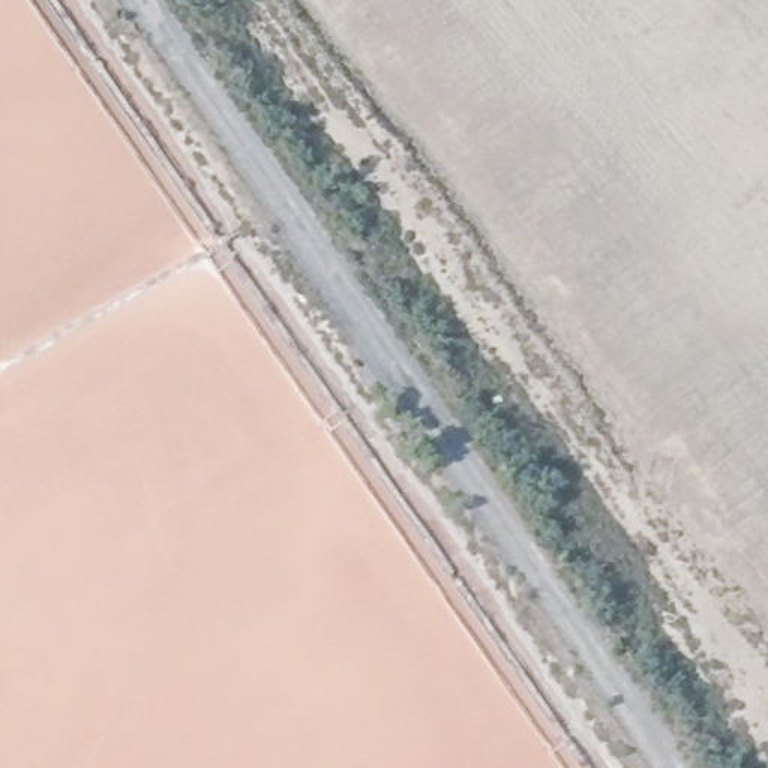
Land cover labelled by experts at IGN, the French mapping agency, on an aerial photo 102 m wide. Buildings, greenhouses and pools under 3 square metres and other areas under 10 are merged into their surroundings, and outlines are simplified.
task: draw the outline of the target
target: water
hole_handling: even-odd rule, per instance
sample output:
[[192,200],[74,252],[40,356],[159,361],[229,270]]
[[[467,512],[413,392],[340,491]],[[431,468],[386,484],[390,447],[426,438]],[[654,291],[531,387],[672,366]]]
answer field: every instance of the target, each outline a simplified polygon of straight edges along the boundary
[[423,573],[399,531],[393,528],[393,522],[378,507],[378,501],[369,495],[345,453],[339,450],[339,444],[333,441],[330,426],[315,411],[306,414],[297,408],[297,402],[291,402],[282,378],[267,363],[267,357],[273,354],[270,345],[258,336],[252,321],[237,306],[237,300],[189,300],[162,309],[132,306],[132,312],[117,315],[117,321],[96,339],[87,339],[84,345],[66,354],[57,354],[51,348],[39,369],[18,375],[15,369],[9,369],[6,375],[0,375],[0,768],[552,768],[552,747],[534,744],[534,726],[513,702],[489,660],[480,654],[468,630],[459,624],[453,609],[444,603],[435,582]]
[[183,249],[198,243],[177,219],[165,195],[156,189],[150,174],[141,168],[132,147],[117,132],[111,117],[102,111],[99,99],[90,93],[90,87],[66,57],[66,51],[57,45],[57,39],[51,36],[51,30],[45,27],[30,0],[0,0],[0,360],[12,354],[24,339],[39,339],[48,327],[63,324],[75,312],[129,291],[147,273],[174,264]]
[[90,0],[72,0],[114,63],[123,60],[123,48],[108,36],[105,21],[93,12]]
[[570,720],[573,732],[603,762],[603,768],[621,768],[621,759],[609,753],[609,747],[597,738],[594,726],[585,720],[585,699],[570,699],[564,693],[552,669],[543,663],[537,642],[522,630],[516,612],[504,600],[504,591],[495,588],[486,561],[468,552],[465,531],[447,516],[441,501],[426,489],[414,468],[399,459],[396,447],[387,441],[375,417],[378,405],[366,402],[354,390],[345,369],[333,360],[333,354],[327,354],[312,321],[303,315],[306,294],[297,294],[276,273],[273,261],[252,246],[249,237],[243,237],[237,246],[243,258],[270,285],[282,309],[297,324],[300,336],[315,351],[315,357],[336,378],[348,402],[363,414],[372,444],[384,453],[390,468],[408,483],[408,489],[429,507],[435,522],[453,540],[459,561],[474,570],[477,582],[489,591],[507,633],[519,642],[543,687],[552,693],[564,717]]

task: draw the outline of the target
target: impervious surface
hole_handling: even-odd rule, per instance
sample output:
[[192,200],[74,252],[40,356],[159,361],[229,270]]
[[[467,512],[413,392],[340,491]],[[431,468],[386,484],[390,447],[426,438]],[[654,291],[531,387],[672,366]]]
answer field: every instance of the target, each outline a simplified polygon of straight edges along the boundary
[[423,423],[423,438],[432,444],[438,468],[447,468],[462,486],[462,492],[486,495],[486,504],[480,507],[483,522],[489,522],[492,534],[501,540],[510,561],[519,570],[525,570],[531,585],[540,591],[546,612],[579,648],[582,663],[591,669],[600,690],[606,696],[624,696],[624,705],[618,705],[621,720],[627,723],[633,744],[648,756],[651,768],[690,768],[690,765],[681,759],[669,726],[663,723],[660,711],[651,708],[651,690],[633,684],[624,666],[615,660],[612,630],[591,621],[576,606],[567,585],[558,579],[552,567],[549,552],[525,528],[510,495],[495,486],[483,456],[465,453],[468,432],[456,426],[447,426],[450,411],[441,405],[432,381],[423,375],[417,360],[408,357],[405,345],[384,321],[384,312],[375,306],[375,300],[357,282],[354,264],[333,249],[324,222],[288,180],[273,150],[234,108],[225,87],[213,75],[213,66],[201,60],[189,33],[165,9],[162,0],[126,0],[126,9],[138,12],[141,24],[168,54],[183,84],[192,90],[204,114],[222,132],[240,168],[249,174],[255,189],[264,195],[264,201],[282,222],[282,234],[273,237],[279,249],[294,249],[297,264],[309,273],[321,294],[348,315],[354,336],[348,336],[345,345],[351,348],[351,357],[363,357],[366,366],[360,369],[369,372],[375,384],[384,384],[384,393],[396,396],[396,417],[411,414]]

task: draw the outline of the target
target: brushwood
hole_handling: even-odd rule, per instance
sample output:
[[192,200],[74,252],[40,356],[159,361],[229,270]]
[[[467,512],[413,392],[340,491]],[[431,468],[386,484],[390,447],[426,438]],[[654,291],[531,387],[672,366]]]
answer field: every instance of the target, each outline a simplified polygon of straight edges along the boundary
[[690,765],[690,768],[768,768],[768,744],[756,744],[750,738],[744,720],[729,726],[729,711],[744,708],[744,702],[726,699],[717,684],[702,684],[696,678],[693,663],[678,654],[675,642],[663,633],[660,615],[672,609],[672,600],[654,582],[648,564],[663,543],[669,543],[675,558],[687,564],[699,585],[720,600],[723,618],[738,627],[738,633],[756,648],[756,654],[768,660],[768,636],[765,618],[753,612],[750,594],[741,585],[729,585],[726,573],[714,564],[714,555],[702,549],[687,552],[681,546],[684,528],[672,528],[669,519],[648,519],[654,537],[633,540],[627,528],[615,522],[615,516],[606,510],[603,498],[618,486],[627,486],[630,498],[639,495],[639,477],[636,462],[627,459],[624,447],[615,441],[606,411],[591,393],[585,372],[537,318],[531,300],[504,270],[498,252],[489,246],[489,237],[477,225],[477,219],[462,207],[450,183],[426,159],[426,150],[414,141],[414,135],[405,126],[399,126],[384,111],[363,72],[351,66],[351,60],[330,39],[330,33],[321,27],[321,21],[309,12],[303,0],[288,0],[291,12],[309,27],[321,51],[363,96],[378,126],[405,147],[408,168],[420,171],[429,186],[435,186],[447,210],[462,225],[459,231],[447,234],[447,243],[462,261],[465,288],[492,303],[498,315],[507,321],[510,336],[525,360],[522,372],[513,372],[504,360],[486,360],[480,354],[480,342],[456,315],[453,300],[438,291],[432,276],[420,273],[417,258],[423,255],[423,243],[414,231],[405,231],[399,225],[396,213],[381,207],[381,186],[372,180],[375,159],[366,156],[351,165],[345,150],[327,135],[324,123],[318,120],[315,105],[297,102],[294,93],[285,87],[282,63],[273,54],[264,54],[249,33],[249,0],[162,0],[165,9],[189,33],[201,60],[213,66],[213,75],[225,87],[234,108],[273,150],[288,180],[324,222],[333,249],[354,264],[357,282],[375,300],[375,306],[384,312],[384,321],[405,345],[408,339],[426,333],[429,345],[447,354],[447,363],[459,378],[459,396],[465,402],[462,414],[456,417],[456,426],[468,432],[465,453],[483,456],[495,486],[510,495],[525,528],[549,552],[552,567],[558,579],[567,585],[576,606],[591,621],[612,630],[615,660],[624,666],[633,684],[651,690],[651,708],[660,711],[663,723],[669,726],[687,723],[693,729],[696,753],[702,759]]

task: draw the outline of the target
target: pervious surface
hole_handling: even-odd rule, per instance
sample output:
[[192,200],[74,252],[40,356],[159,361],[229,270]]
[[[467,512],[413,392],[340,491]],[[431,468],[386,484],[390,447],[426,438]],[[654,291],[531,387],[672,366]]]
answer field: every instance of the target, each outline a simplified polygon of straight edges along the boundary
[[423,375],[432,381],[441,405],[450,411],[447,426],[456,426],[456,417],[462,414],[465,402],[459,396],[459,378],[447,363],[447,354],[429,345],[426,333],[408,339],[405,345],[408,357],[417,360]]
[[678,654],[693,663],[696,678],[702,684],[717,684],[726,699],[744,702],[744,708],[729,711],[729,726],[744,720],[750,738],[756,744],[768,744],[768,660],[756,654],[756,648],[738,633],[738,627],[723,618],[720,600],[699,585],[687,564],[675,558],[669,543],[663,543],[648,564],[654,582],[672,600],[672,609],[660,615],[663,633],[675,642]]
[[693,729],[687,723],[669,726],[681,759],[690,765],[702,759],[696,753]]
[[627,486],[618,486],[603,498],[606,510],[615,516],[615,522],[627,528],[633,540],[654,537],[648,519],[669,519],[672,528],[684,528],[681,546],[687,552],[702,549],[714,555],[714,564],[726,573],[729,585],[741,585],[750,594],[753,612],[765,618],[768,636],[768,0],[303,0],[309,12],[321,21],[321,27],[330,33],[330,39],[351,60],[351,66],[363,72],[384,111],[399,126],[405,126],[414,135],[414,141],[426,150],[426,159],[450,183],[462,207],[477,219],[477,225],[489,237],[489,246],[498,252],[504,270],[531,300],[537,318],[585,372],[591,393],[606,411],[615,441],[624,447],[627,459],[636,462],[639,477],[639,495],[630,498]]
[[534,744],[552,747],[552,768],[603,768],[603,762],[573,732],[570,720],[564,717],[552,693],[543,687],[519,642],[507,633],[489,591],[477,582],[474,570],[459,561],[453,540],[435,522],[429,507],[408,489],[408,483],[390,468],[384,453],[372,444],[363,414],[348,402],[336,378],[315,357],[315,351],[300,336],[297,324],[282,309],[270,285],[243,258],[237,246],[243,237],[249,237],[252,246],[273,261],[276,273],[297,294],[306,294],[303,315],[312,321],[327,354],[333,354],[333,360],[345,369],[354,390],[366,402],[378,405],[375,417],[387,441],[396,447],[399,459],[414,468],[426,489],[441,501],[447,516],[465,531],[468,552],[486,561],[495,588],[504,591],[504,600],[516,612],[522,630],[537,642],[543,663],[552,669],[564,693],[570,699],[585,699],[585,720],[594,726],[597,738],[609,747],[609,753],[621,759],[621,768],[651,768],[648,756],[633,744],[627,723],[621,720],[618,705],[624,705],[624,696],[606,696],[600,690],[591,669],[582,663],[579,648],[546,612],[540,591],[531,585],[525,570],[519,570],[510,561],[501,540],[492,534],[489,522],[483,522],[480,507],[486,504],[486,495],[462,492],[462,486],[447,468],[438,468],[432,444],[423,438],[423,423],[411,414],[396,417],[396,396],[384,393],[384,384],[375,384],[369,372],[360,369],[366,366],[363,357],[351,357],[351,348],[345,345],[348,336],[354,336],[348,315],[321,294],[309,273],[297,264],[294,249],[279,249],[273,237],[282,234],[282,222],[264,201],[264,195],[255,189],[249,174],[240,168],[222,132],[204,114],[192,90],[183,84],[168,54],[141,24],[138,12],[126,9],[126,0],[90,0],[93,12],[105,21],[108,36],[123,48],[123,60],[114,63],[72,0],[30,0],[45,27],[51,30],[51,36],[57,39],[57,45],[66,51],[66,57],[90,87],[90,93],[99,99],[102,111],[111,117],[117,132],[132,147],[141,168],[150,174],[156,189],[165,195],[177,219],[198,243],[183,249],[174,264],[147,273],[129,291],[75,312],[63,324],[48,327],[39,339],[24,339],[12,354],[0,360],[0,375],[6,375],[9,369],[15,369],[18,375],[39,369],[51,348],[57,354],[66,354],[84,345],[87,339],[96,339],[117,321],[117,315],[132,312],[132,306],[162,309],[189,300],[237,300],[237,306],[252,321],[258,336],[270,345],[273,354],[267,357],[267,363],[282,378],[291,402],[297,402],[297,408],[306,414],[315,411],[330,426],[333,441],[339,444],[339,450],[345,453],[369,495],[378,501],[378,507],[393,522],[393,528],[399,531],[423,573],[435,582],[444,603],[453,609],[459,624],[468,630],[480,654],[489,660],[513,702],[534,726]]
[[363,96],[321,51],[309,27],[291,12],[288,0],[249,0],[249,33],[264,54],[273,54],[282,63],[285,87],[294,93],[297,102],[315,105],[318,120],[324,123],[327,135],[345,150],[351,165],[366,156],[375,159],[372,180],[381,186],[381,207],[396,213],[399,225],[405,231],[414,231],[423,243],[423,255],[417,258],[420,273],[432,276],[438,291],[453,300],[456,315],[480,342],[480,354],[486,360],[504,360],[513,372],[522,372],[525,360],[510,336],[507,321],[498,315],[492,303],[465,288],[462,261],[447,243],[447,234],[459,231],[462,225],[447,210],[435,186],[429,186],[420,171],[408,168],[405,147],[378,126]]

